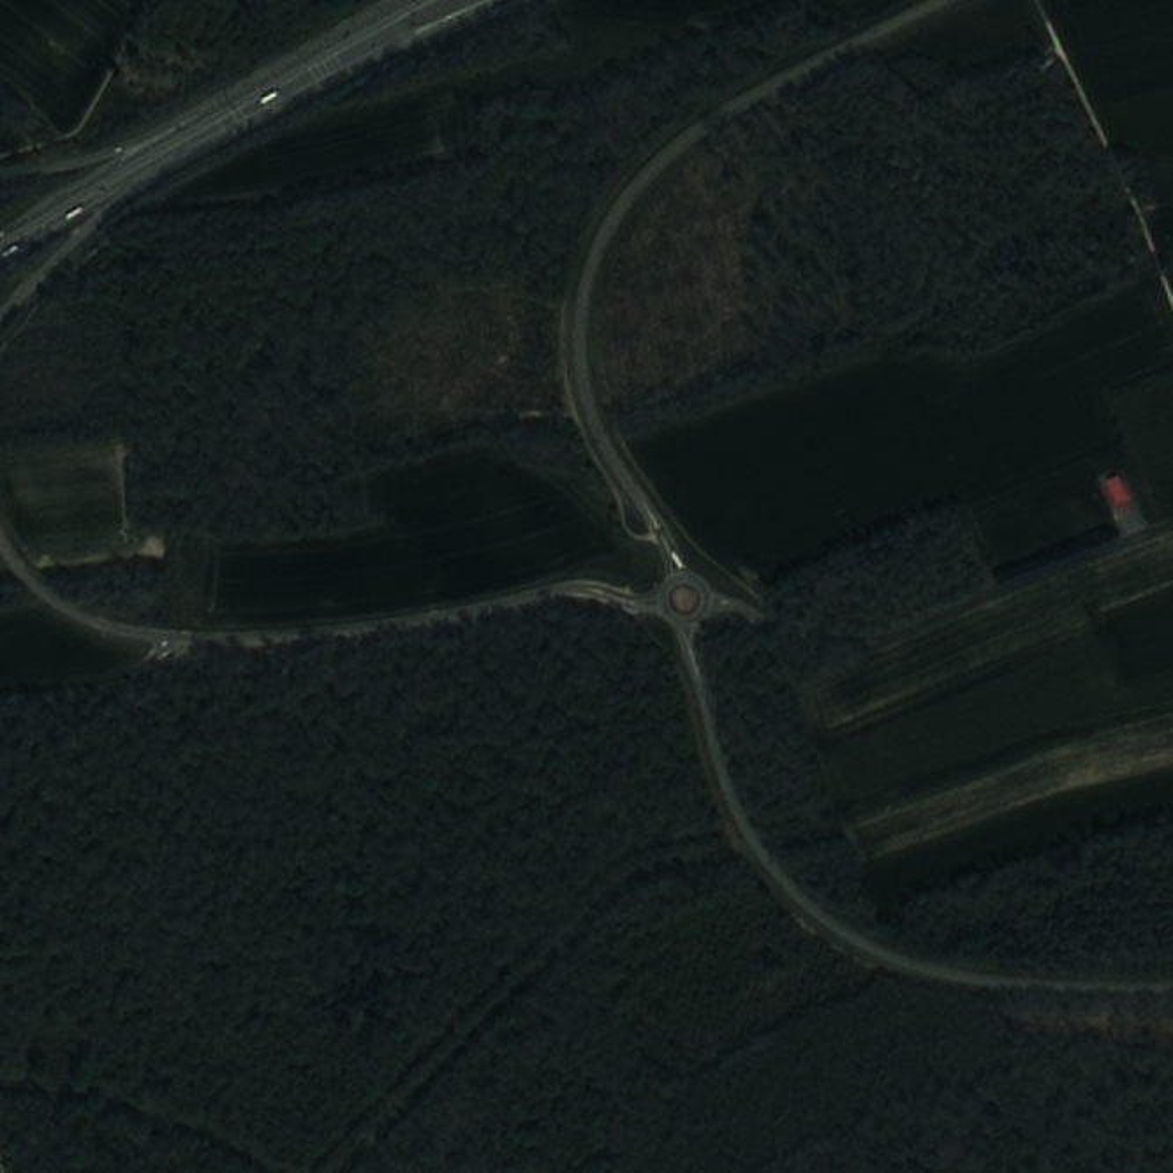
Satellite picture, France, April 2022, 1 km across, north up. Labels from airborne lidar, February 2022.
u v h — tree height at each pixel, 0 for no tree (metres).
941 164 24
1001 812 0
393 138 0
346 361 24
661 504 0
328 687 25
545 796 18
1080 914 15
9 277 13
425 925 21
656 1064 22
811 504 0
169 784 28
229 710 26
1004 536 0
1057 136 19
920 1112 23
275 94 0
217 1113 23
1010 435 0
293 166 0
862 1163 23
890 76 20
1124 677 0
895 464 0
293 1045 25
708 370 0
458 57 23
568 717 24
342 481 23
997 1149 23
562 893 22
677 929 11
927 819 0
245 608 0
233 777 21
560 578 0
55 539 0
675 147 0
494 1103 25
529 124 20
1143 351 0
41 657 0
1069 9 0
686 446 0
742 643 25
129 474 15
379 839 26
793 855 26
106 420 17
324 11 22
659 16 0
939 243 26
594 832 25
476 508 0
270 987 23
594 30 0
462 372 0
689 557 0
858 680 0
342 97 10
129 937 22
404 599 0
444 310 0
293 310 25
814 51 0
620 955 16
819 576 23
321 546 0
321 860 25
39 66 0
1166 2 0
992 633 0
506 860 28
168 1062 26
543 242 22
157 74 15
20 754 28
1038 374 0
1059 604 0
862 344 21
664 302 0
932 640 0
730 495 0
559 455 23
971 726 0
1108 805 0
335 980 25
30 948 19
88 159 0
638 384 0
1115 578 0
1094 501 0
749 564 0
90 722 26
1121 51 0
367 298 24
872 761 0
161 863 22
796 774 22
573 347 0
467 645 19
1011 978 0
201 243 24
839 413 0
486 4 0
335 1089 23
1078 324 0
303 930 24
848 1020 15
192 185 0
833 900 21
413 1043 23
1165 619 0
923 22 0
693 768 16
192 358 27
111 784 26
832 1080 15
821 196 0
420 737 22
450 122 0
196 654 12
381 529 0
